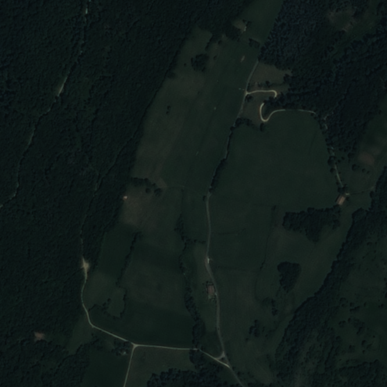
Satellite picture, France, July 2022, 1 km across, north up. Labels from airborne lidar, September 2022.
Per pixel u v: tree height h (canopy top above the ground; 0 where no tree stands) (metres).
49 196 16
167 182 0
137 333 0
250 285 0
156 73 14
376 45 26
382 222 12
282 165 0
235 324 0
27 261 22
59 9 15
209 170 0
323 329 10
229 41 0
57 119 17
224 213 0
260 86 9
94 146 13
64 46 20
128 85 15
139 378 0
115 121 8
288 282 15
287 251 0
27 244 15
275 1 0
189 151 0
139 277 0
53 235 18
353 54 25
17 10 24
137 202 0
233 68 0
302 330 12
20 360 13
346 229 0
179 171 0
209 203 0
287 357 7
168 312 0
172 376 24
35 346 18
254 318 0
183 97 0
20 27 23
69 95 10
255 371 0
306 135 0
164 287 0
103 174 12
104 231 13
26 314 13
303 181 0
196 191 0
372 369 18
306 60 10
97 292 0
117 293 0
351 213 0
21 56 23
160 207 0
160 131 0
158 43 14
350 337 0
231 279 0
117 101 10
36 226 18
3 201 18
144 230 0
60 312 15
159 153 0
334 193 0
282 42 18
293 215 14
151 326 0
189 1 12
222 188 0
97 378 0
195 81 0
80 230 9
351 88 27
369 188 0
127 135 12
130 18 21
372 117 16
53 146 24
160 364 0
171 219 0
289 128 0
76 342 0
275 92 0
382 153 0
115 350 7
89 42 16
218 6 19
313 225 16
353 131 17
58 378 16
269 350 0
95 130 14
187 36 22
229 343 0
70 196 17
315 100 26
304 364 7
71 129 21
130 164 15
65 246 18
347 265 15
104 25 18
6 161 16
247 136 0
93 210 13
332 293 14
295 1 14
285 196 0
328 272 0
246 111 0
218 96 0
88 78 18
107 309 12
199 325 11
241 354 0
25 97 11
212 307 0
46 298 13
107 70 14
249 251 0
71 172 18
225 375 0
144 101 13
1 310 16
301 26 13
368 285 0
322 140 0
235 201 0
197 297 0
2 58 15
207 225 0
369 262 0
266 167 0
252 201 0
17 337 17
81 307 20
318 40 16
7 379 18
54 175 20
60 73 21
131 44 14
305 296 0
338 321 0
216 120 0
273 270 0
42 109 16
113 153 14
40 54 10
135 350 0
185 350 0
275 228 0
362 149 0
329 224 14
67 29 18
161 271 0
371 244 11
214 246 0
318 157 0
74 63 12
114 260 0
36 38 11
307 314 14
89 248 9
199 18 22
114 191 13
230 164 0
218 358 0
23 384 20
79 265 14
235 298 0
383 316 0
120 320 9
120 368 0
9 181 18
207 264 0
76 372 12
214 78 0
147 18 14
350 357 0
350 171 0
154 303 0
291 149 0
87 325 0
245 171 0
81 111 15
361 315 0
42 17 19
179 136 0
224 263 0
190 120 0
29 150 17
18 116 22
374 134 0
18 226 19
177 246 0
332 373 11
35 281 19
